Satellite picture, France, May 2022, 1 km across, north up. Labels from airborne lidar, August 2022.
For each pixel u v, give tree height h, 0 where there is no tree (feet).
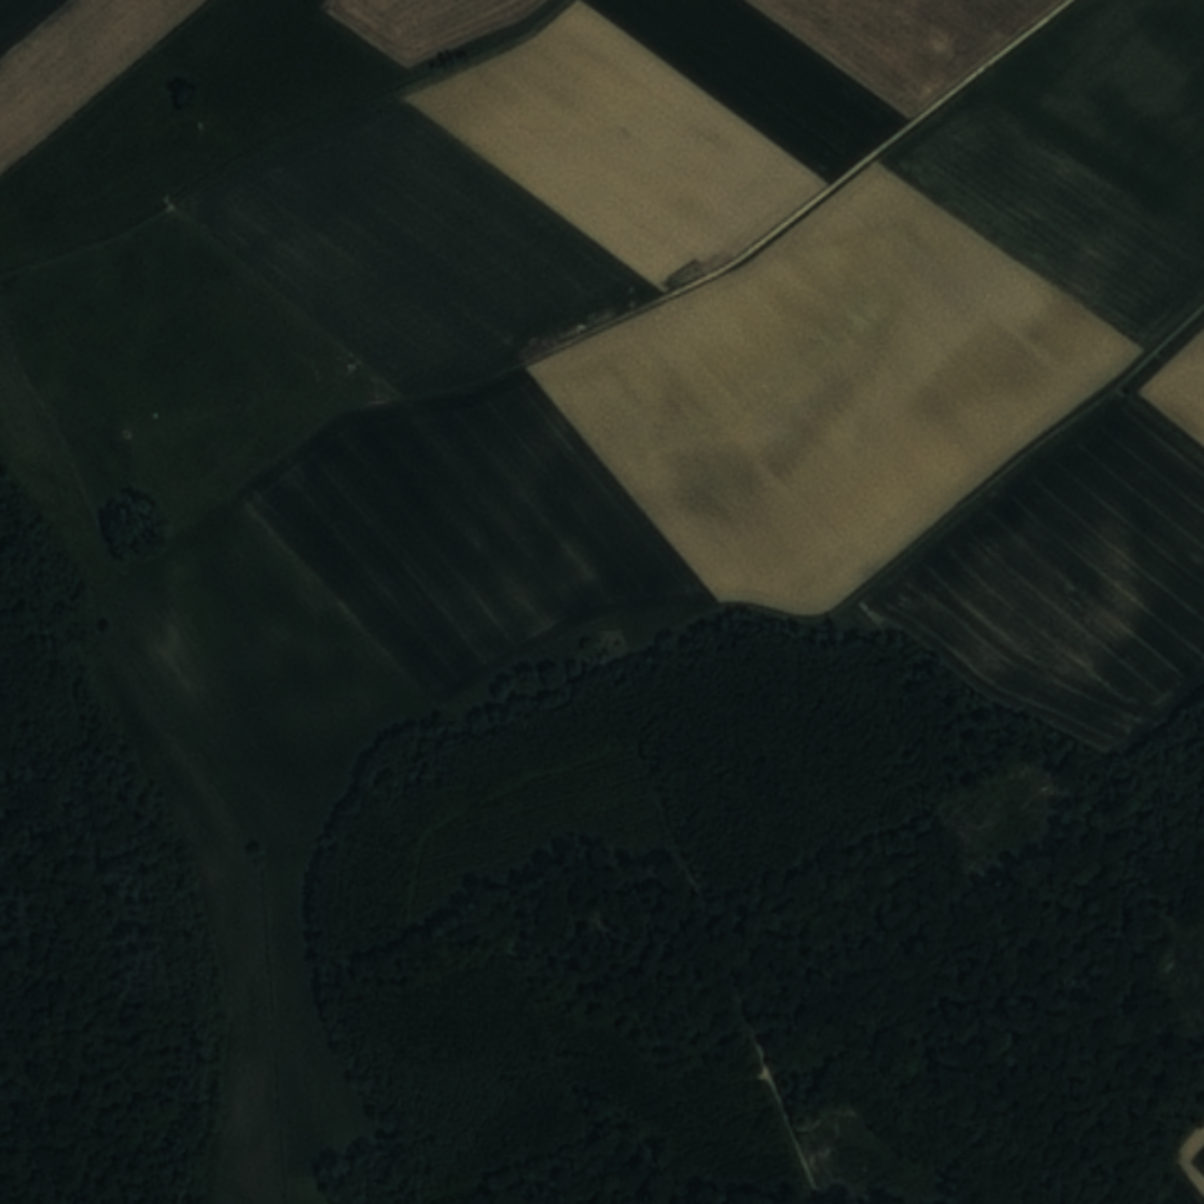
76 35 0
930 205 0
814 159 0
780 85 0
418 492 0
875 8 0
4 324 0
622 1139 64
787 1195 76
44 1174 73
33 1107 87
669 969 90
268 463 0
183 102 74
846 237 0
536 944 73
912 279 0
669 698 57
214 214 0
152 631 0
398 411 0
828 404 0
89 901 58
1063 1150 86
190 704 0
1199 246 0
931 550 0
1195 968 0
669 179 0
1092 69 0
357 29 0
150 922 50
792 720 61
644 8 0
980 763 81
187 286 0
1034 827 0
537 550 0
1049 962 88
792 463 0
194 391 0
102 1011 76
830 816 50
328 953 61
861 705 60
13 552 53
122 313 0
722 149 0
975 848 0
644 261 0
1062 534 0
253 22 0
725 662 61
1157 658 0
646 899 79
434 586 0
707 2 0
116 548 84
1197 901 104
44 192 0
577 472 0
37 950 79
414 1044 58
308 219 0
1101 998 79
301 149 0
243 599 0
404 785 45
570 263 0
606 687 54
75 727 66
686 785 49
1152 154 0
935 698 67
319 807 0
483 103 0
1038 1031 81
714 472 0
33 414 0
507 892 43
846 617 0
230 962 0
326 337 0
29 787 82
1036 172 0
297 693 0
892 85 0
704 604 0
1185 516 0
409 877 53
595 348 0
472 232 0
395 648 0
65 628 49
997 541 0
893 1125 78
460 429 0
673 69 0
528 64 0
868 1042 74
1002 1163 69
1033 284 0
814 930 73
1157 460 0
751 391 0
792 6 0
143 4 0
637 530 0
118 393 0
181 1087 78
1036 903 83
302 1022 0
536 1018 45
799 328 0
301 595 0
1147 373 0
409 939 82
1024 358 0
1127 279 0
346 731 0
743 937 79
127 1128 71
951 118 0
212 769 0
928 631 0
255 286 0
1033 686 0
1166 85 0
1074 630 0
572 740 55
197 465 0
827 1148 0
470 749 60
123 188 0
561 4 0
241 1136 0
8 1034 66
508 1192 57
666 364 0
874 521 0
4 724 79
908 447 0
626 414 0
